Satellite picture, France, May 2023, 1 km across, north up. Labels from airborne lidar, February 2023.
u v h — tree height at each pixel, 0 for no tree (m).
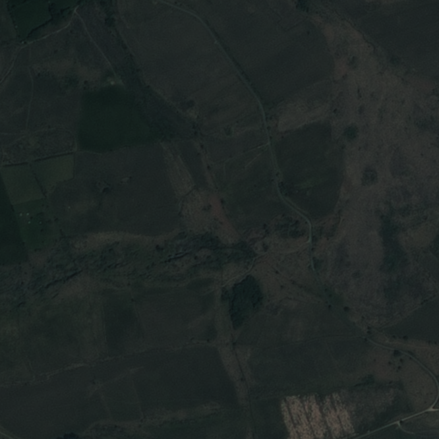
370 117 0
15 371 0
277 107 0
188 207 0
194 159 0
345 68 0
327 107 0
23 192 0
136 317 0
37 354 0
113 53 0
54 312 0
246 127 0
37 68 0
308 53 0
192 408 0
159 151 0
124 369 0
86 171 0
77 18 0
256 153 0
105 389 0
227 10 0
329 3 0
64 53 0
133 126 0
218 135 0
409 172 0
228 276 0
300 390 0
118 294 0
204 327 0
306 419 0
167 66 0
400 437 0
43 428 0
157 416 0
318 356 0
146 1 0
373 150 0
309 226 0
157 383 0
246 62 0
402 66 0
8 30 0
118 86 0
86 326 0
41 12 0
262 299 13
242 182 0
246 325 0
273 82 0
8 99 0
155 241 0
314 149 0
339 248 0
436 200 0
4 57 0
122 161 0
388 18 0
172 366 0
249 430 0
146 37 0
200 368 0
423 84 0
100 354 0
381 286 0
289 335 0
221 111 0
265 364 0
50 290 0
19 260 0
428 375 0
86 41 0
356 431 0
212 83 0
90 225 0
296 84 0
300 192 0
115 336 0
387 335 0
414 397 0
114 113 0
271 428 0
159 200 0
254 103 0
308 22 0
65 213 0
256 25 0
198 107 0
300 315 0
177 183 0
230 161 0
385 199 0
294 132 0
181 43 0
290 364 0
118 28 0
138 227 0
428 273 0
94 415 0
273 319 0
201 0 0
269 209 0
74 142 0
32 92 0
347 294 0
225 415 0
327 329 0
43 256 0
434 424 0
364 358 0
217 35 0
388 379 0
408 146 0
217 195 0
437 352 0
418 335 0
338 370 0
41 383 0
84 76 0
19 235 0
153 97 0
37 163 0
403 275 0
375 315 0
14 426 0
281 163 0
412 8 0
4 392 0
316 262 7
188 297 0
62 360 0
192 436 0
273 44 0
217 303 0
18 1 0
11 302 0
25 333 0
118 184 0
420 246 0
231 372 0
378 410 0
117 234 0
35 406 0
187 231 0
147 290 0
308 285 0
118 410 0
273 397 0
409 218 0
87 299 0
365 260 0
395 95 0
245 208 0
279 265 0
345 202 0
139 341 0
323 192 0
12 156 0
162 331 0
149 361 0
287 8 0
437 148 0
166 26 0
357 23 0
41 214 6
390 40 0
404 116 0
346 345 0
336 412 0
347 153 0
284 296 0
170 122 0
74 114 0
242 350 0
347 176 0
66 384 0
